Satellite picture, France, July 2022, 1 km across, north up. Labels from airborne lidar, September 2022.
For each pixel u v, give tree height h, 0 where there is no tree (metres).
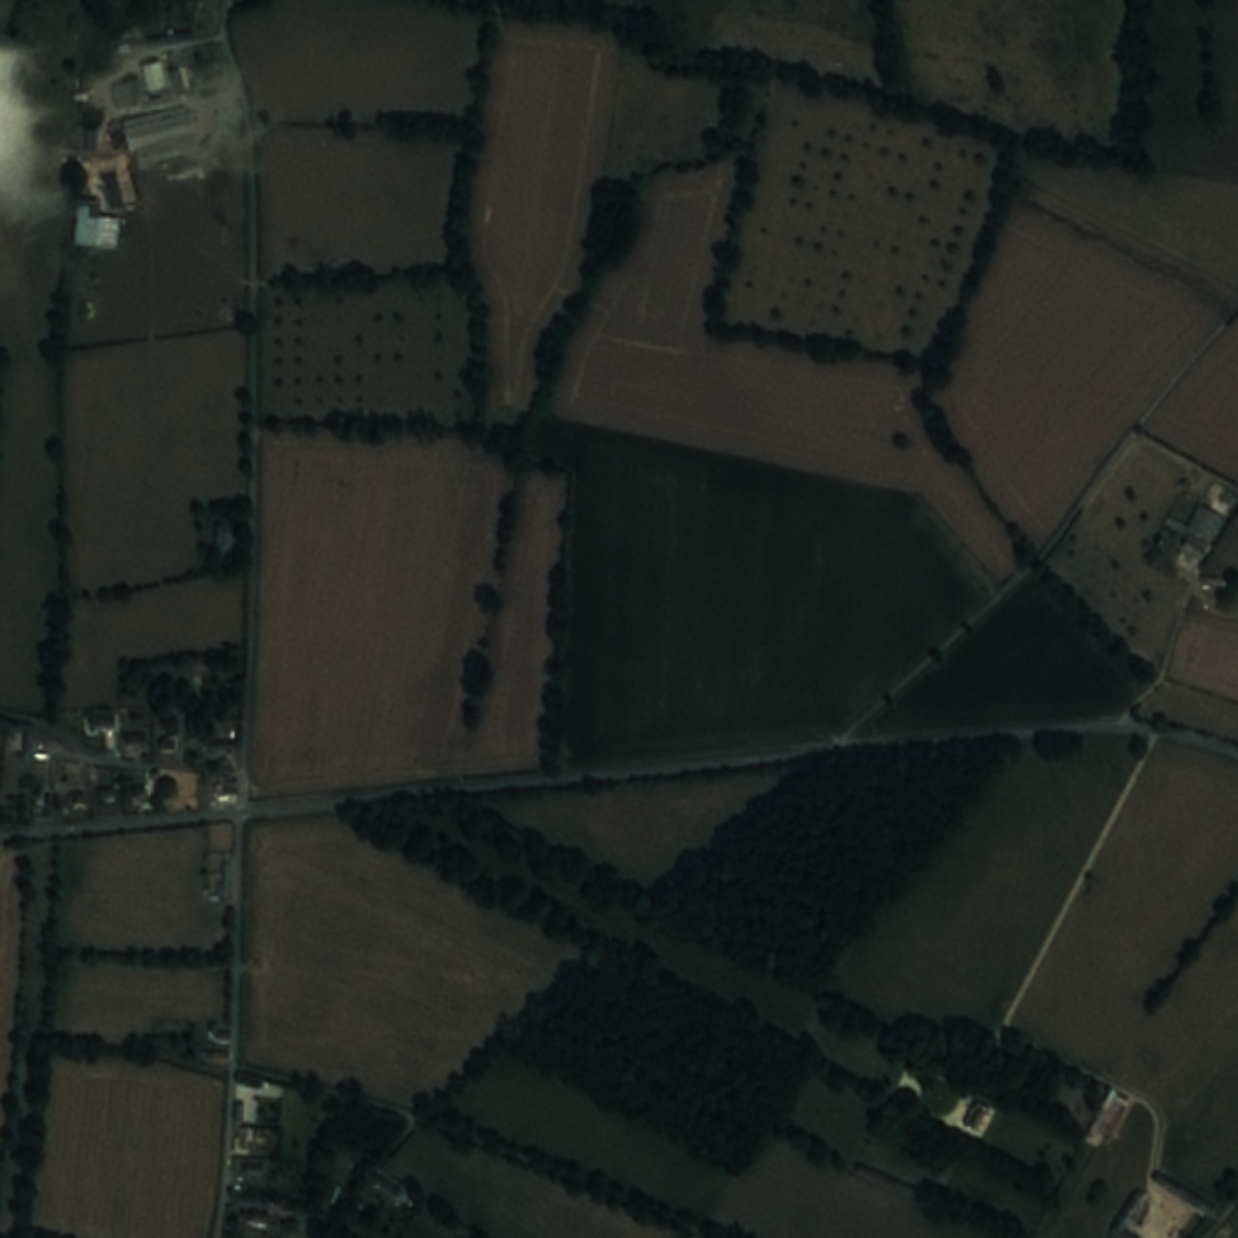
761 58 16
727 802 0
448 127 19
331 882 0
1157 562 7
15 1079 11
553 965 0
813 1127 0
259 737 0
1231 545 0
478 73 13
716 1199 0
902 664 0
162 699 13
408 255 0
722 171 0
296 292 15
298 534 0
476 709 17
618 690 0
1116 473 0
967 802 22
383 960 0
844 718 0
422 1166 0
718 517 0
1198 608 0
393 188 0
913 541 0
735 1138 23
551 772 16
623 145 0
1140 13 20
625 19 9
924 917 0
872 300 0
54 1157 0
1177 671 0
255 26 0
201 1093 0
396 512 0
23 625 0
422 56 0
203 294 0
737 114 15
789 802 18
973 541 0
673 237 0
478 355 14
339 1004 0
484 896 21
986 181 0
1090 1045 0
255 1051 0
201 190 0
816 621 0
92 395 0
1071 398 0
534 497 0
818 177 0
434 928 0
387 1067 0
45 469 0
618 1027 24
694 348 0
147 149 0
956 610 0
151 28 0
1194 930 0
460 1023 0
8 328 0
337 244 0
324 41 0
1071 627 0
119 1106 0
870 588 0
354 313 0
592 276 18
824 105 0
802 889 25
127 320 0
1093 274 0
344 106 0
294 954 0
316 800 0
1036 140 17
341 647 0
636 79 0
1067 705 0
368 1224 16
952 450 20
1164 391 0
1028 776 0
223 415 0
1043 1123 15
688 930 24
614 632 0
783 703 0
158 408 0
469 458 0
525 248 0
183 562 0
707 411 0
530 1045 19
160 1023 0
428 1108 20
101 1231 0
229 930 11
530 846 21
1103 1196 7
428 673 0
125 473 0
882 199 0
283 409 0
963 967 0
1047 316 0
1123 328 0
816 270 0
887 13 16
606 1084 22
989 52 0
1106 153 18
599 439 0
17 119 0
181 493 0
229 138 0
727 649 0
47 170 0
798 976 24
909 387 0
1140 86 25
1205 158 0
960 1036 25
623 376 0
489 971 0
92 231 0
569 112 0
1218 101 18
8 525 0
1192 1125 0
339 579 0
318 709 0
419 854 19
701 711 0
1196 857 0
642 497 0
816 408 0
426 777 0
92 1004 0
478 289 16
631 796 0
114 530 0
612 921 0
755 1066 27
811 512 0
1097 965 0
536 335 0
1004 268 0
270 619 0
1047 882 0
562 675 20
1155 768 0
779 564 0
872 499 0
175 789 9
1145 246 0
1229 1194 12
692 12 0
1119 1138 0
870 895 26
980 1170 12
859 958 0
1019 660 0
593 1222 0
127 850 0
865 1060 0
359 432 21
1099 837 0
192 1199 0
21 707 0
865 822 29
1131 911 0
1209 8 16
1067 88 0
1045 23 0
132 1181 0
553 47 0
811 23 0
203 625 0
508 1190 0
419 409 0
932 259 0
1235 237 0
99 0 29
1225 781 0
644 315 0
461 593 0
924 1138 25
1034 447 0
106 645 0
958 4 0
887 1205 0
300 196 0
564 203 0
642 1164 0
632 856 0
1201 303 0
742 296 0
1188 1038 0
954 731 0
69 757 0
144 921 0
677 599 0
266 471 0
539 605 0
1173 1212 0
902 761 21
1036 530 0
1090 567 0
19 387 0
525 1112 0
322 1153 19
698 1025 26
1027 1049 10
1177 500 0
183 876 0
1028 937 0
